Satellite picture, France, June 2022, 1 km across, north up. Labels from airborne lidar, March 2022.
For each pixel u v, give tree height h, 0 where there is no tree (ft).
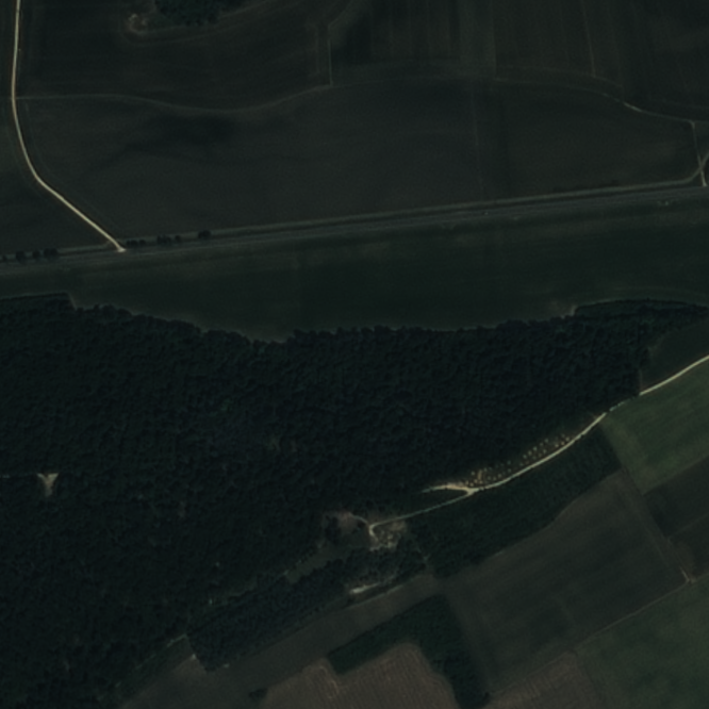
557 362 63
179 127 0
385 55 0
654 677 0
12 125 0
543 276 0
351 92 0
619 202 0
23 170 0
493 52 0
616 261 0
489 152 0
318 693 0
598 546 0
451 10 0
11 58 0
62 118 0
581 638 0
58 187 0
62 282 0
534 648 0
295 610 49
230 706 0
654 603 0
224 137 0
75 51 0
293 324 0
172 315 0
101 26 0
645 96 0
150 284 0
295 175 0
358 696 0
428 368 56
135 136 0
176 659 0
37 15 0
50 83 0
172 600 53
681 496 0
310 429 61
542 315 0
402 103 0
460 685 19
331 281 0
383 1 0
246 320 0
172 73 0
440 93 0
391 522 0
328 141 0
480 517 0
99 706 54
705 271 0
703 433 0
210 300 0
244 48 0
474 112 0
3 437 44
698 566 0
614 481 0
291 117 0
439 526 24
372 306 0
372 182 0
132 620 64
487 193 0
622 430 0
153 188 0
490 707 0
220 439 52
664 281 0
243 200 0
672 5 0
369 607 0
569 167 0
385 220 0
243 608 56
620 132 0
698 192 0
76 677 69
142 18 0
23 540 60
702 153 0
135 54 0
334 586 58
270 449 53
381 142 0
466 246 0
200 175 0
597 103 0
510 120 0
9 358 51
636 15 0
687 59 0
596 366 51
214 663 39
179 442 49
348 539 0
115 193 0
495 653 0
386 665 0
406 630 0
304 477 60
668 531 0
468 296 0
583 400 46
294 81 0
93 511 68
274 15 0
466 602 0
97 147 0
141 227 0
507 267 0
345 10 0
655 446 0
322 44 0
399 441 0
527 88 0
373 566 21
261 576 29
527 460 0
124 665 54
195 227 0
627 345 41
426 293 0
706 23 0
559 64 0
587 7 0
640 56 0
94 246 0
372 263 0
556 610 0
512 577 0
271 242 0
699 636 0
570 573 0
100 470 30
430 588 0
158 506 54
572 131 0
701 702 0
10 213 0
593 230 0
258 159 0
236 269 0
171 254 0
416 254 0
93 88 0
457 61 0
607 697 0
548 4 0
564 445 0
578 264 0
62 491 63
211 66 0
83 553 61
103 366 54
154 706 0
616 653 0
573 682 0
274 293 0
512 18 0
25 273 0
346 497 55
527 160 0
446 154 0
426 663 0
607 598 0
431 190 0
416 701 0
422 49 0
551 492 0
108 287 0
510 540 19
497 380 55
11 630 53
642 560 0
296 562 28
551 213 0
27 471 62
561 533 0
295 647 0
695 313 50
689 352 0
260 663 0
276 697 0
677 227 0
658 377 0
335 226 0
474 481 0
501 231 0
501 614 0
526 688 0
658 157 0
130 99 0
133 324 51
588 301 0
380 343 61
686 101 0
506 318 0
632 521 0
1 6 0
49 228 0
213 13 20
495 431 52
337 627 0
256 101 0
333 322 0
